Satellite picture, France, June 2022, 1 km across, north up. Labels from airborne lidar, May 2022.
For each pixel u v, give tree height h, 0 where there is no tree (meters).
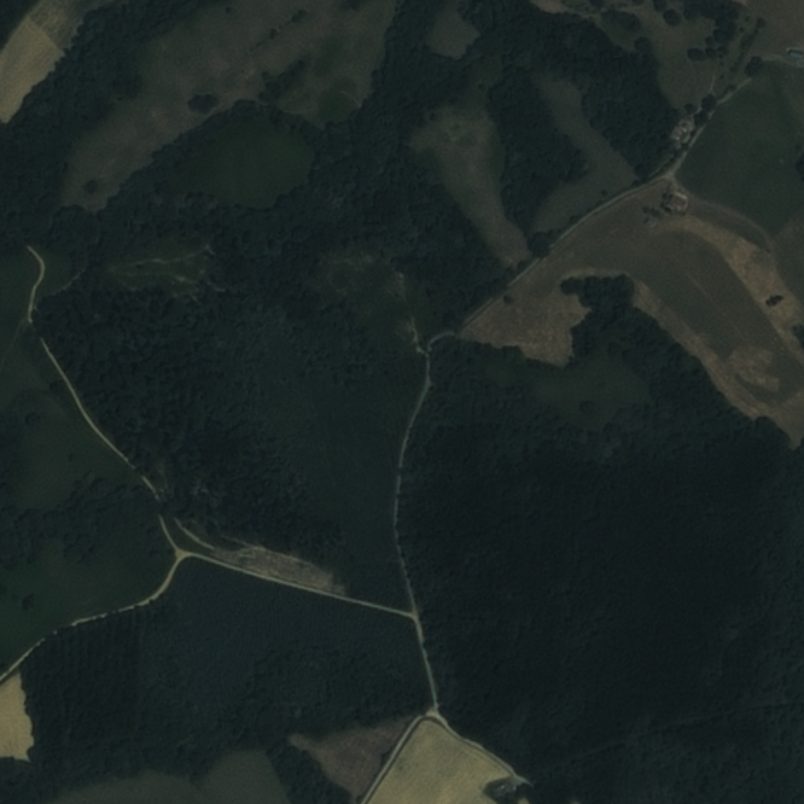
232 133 0
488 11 22
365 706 14
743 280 0
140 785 0
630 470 23
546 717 21
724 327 0
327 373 9
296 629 7
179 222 15
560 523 23
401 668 8
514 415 11
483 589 19
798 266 0
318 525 9
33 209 22
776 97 0
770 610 20
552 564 23
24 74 0
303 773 20
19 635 0
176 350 29
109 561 0
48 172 20
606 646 22
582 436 18
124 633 14
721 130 0
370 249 0
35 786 13
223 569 7
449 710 19
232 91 0
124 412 29
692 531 17
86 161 0
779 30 0
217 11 0
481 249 8
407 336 0
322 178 26
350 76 0
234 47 0
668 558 19
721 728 21
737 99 0
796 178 0
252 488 33
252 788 0
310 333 14
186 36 0
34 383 0
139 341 33
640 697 21
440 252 22
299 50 0
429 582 21
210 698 6
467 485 20
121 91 17
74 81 23
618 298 19
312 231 21
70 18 0
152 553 8
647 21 0
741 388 0
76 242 17
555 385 0
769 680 18
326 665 10
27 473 0
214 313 17
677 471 20
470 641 25
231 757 0
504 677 25
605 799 13
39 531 15
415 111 9
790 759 19
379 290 0
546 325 0
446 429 21
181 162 10
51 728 15
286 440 10
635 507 18
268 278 19
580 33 13
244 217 20
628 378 0
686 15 7
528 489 7
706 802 7
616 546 21
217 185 0
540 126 27
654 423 13
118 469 0
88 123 19
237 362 21
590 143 0
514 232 0
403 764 0
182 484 10
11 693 0
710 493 15
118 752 25
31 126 23
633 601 19
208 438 32
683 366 26
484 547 19
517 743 10
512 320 0
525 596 24
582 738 20
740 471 22
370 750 0
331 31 0
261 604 7
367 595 8
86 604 0
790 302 0
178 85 0
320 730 16
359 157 26
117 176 0
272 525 30
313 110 0
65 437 0
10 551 18
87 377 24
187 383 23
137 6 25
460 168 0
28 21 0
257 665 12
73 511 16
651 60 13
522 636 24
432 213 25
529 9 14
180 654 7
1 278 0
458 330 12
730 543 21
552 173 20
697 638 19
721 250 0
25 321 0
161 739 21
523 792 13
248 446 24
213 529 23
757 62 13
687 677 22
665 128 8
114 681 16
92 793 0
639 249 0
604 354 0
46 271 0
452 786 0
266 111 10
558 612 24
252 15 0
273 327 9
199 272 0
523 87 19
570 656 21
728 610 21
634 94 9
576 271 0
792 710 11
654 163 7
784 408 0
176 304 31
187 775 14
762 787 19
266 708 16
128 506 19
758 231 0
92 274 19
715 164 0
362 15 0
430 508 18
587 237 0
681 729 14
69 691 19
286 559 0
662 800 6
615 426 15
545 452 23
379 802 0
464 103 0
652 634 21
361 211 7
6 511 12
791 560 14
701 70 0
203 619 8
